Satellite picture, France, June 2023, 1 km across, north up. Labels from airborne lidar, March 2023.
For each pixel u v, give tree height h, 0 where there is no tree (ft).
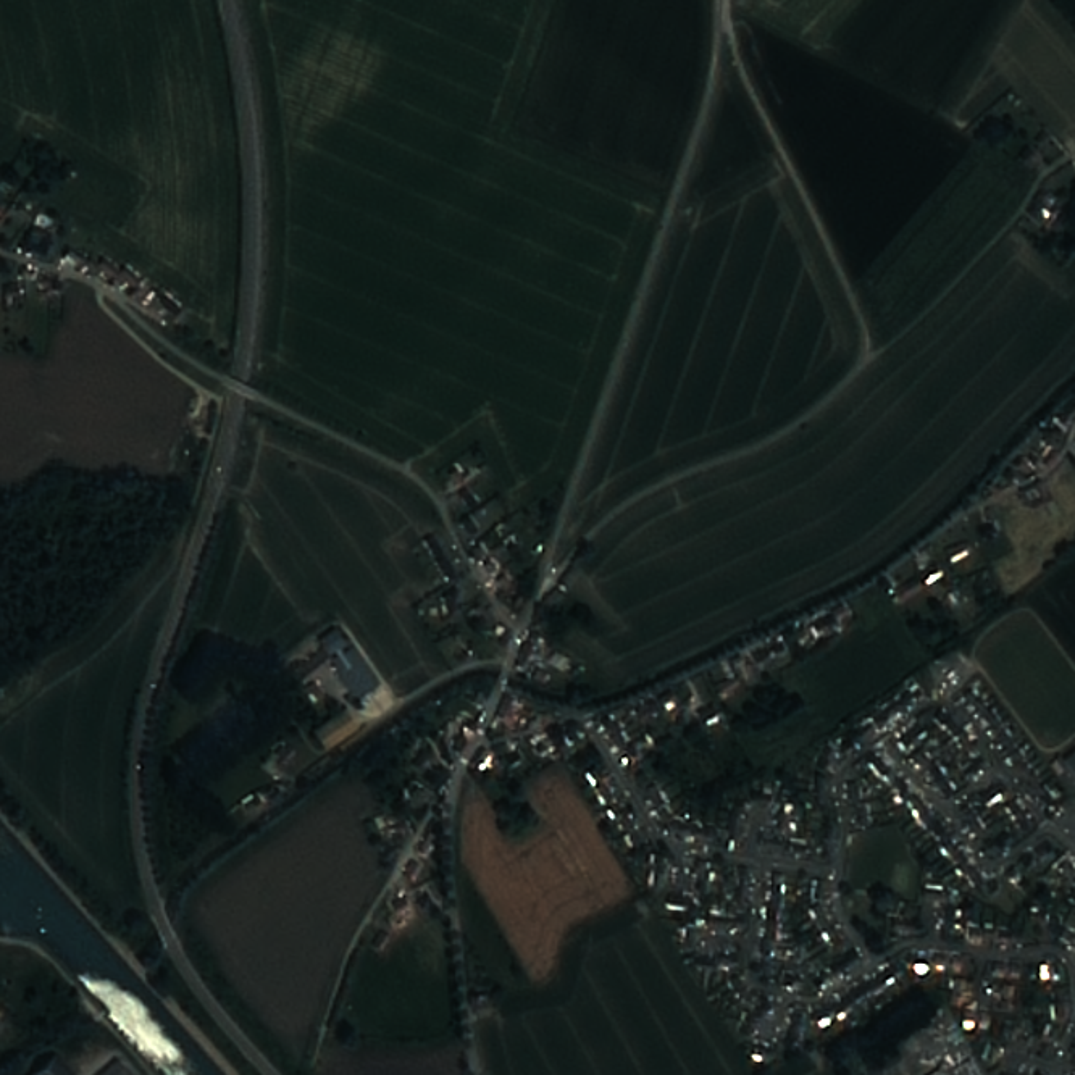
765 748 0
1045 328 0
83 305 0
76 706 0
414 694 0
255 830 31
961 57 0
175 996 0
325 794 0
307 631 0
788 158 0
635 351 0
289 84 0
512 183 0
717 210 0
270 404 0
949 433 0
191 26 0
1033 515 0
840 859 0
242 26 0
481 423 0
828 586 0
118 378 0
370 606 0
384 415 0
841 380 0
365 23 0
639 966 0
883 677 0
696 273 0
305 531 0
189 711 0
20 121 0
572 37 0
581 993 0
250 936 0
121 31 0
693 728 39
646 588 0
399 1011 0
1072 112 0
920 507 0
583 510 0
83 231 0
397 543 0
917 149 0
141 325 0
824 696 0
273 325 0
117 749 0
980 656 0
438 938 0
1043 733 0
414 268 0
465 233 0
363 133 0
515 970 24
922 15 0
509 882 0
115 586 25
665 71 0
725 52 0
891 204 0
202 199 0
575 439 0
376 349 0
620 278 0
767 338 0
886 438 0
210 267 0
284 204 0
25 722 0
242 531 0
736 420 0
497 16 0
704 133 0
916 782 0
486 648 0
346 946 0
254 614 0
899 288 0
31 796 0
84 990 0
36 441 0
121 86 0
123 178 0
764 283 0
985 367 0
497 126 0
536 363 0
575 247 0
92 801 0
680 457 0
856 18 0
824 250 0
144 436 0
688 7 0
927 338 0
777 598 0
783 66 0
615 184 0
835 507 0
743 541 0
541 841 0
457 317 0
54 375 0
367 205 0
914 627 44
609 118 0
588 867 0
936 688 0
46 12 0
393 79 0
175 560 0
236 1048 0
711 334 0
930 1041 0
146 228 0
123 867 0
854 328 0
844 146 0
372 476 0
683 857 0
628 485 0
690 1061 0
